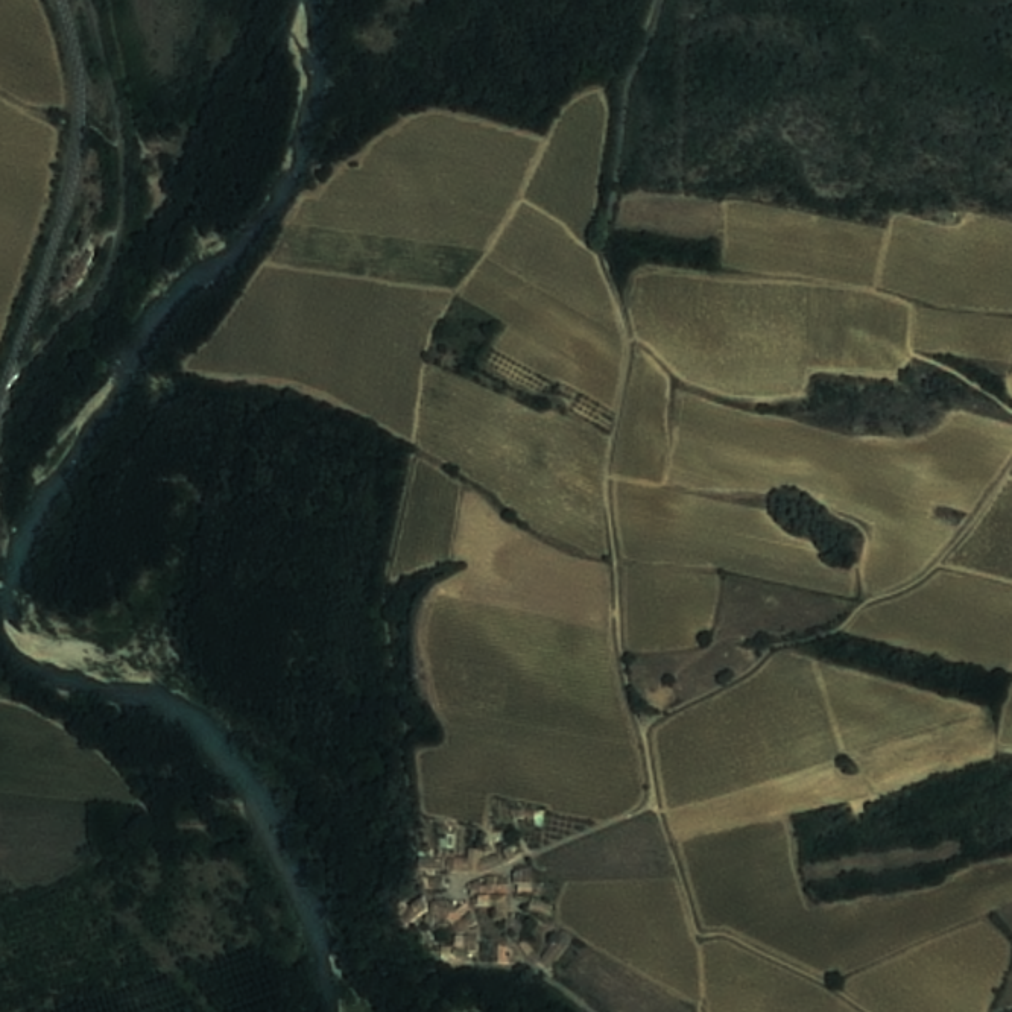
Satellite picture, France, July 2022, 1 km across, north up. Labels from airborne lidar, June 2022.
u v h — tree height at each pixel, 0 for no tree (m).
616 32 14
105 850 10
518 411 0
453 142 0
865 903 0
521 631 0
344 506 10
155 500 20
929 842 11
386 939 11
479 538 0
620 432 0
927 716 0
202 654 18
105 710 27
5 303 0
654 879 0
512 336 0
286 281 0
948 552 0
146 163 10
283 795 20
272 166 29
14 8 0
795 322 0
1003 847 8
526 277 0
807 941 0
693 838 0
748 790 0
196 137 19
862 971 0
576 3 17
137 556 24
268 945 13
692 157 7
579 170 0
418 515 0
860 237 0
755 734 0
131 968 16
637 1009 0
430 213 0
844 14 6
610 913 0
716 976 0
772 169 9
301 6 0
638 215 0
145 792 16
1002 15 10
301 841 31
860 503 0
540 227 0
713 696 0
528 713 0
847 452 0
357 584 17
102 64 18
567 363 0
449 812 0
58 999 9
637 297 0
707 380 0
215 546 18
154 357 29
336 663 21
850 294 0
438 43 10
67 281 10
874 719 0
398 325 0
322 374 0
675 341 0
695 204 0
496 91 17
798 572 0
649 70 6
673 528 0
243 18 9
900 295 0
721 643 0
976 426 0
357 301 0
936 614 0
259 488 12
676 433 0
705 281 0
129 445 13
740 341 0
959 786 9
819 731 0
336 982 9
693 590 0
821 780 0
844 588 0
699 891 0
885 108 6
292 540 19
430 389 0
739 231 0
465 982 18
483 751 0
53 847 0
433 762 0
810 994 0
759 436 0
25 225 0
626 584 0
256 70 29
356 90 11
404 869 16
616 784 0
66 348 11
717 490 0
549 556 0
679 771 0
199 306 32
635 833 0
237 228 29
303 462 22
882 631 0
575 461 0
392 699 17
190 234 30
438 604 0
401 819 16
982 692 14
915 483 0
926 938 0
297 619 12
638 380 0
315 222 0
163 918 6
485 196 0
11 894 6
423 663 0
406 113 12
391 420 0
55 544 21
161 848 9
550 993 9
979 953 0
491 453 0
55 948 7
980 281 0
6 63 0
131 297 22
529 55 12
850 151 6
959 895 0
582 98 0
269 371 0
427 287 0
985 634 0
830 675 0
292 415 22
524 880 0
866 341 0
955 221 0
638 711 12
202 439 22
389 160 0
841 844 6
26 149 0
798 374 0
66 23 0
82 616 29
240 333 0
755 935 0
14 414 14
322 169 10
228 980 20
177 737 28
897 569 0
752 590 0
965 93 11
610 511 0
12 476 10
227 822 15
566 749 0
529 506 0
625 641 0
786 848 0
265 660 9
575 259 0
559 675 0
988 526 0
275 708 17
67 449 0
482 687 0
